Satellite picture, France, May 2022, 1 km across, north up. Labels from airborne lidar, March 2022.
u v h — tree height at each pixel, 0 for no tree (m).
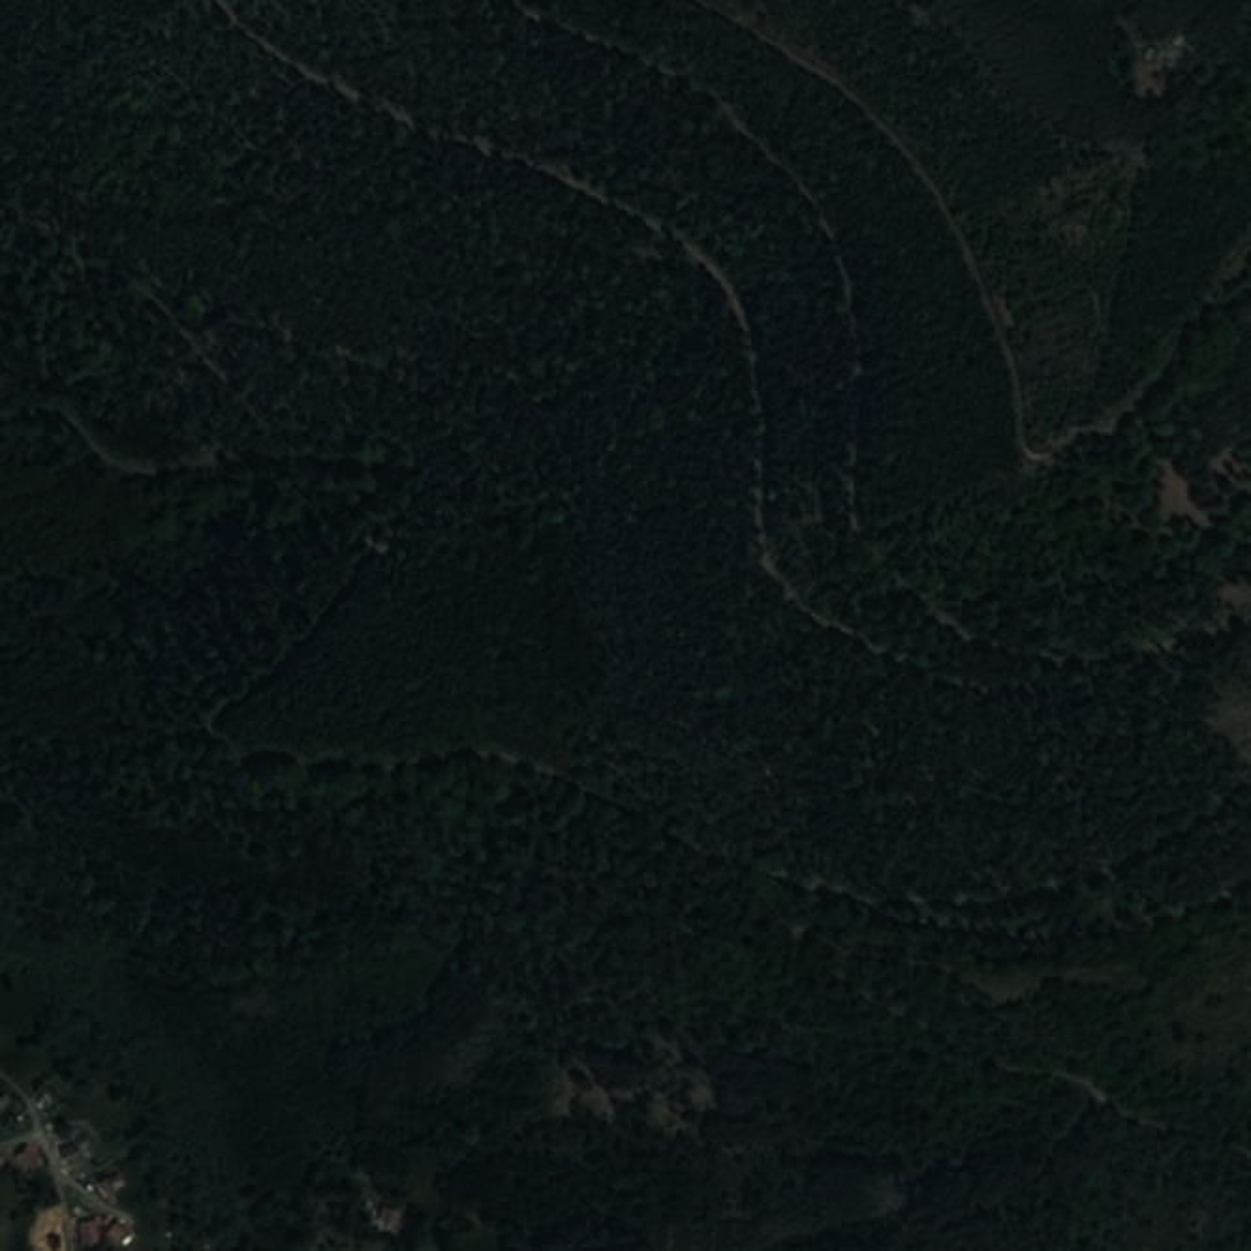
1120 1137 11
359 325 26
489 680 16
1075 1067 12
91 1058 15
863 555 20
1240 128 20
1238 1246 8
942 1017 13
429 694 16
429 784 25
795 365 19
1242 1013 0
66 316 33
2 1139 0
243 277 26
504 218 27
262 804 28
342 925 25
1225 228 13
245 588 40
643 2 20
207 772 19
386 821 33
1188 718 27
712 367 22
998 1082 13
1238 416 25
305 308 25
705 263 0
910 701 21
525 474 26
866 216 13
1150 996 10
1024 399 0
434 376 31
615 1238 32
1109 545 13
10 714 16
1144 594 29
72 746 13
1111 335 9
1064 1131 8
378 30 24
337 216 24
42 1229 0
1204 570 24
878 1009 10
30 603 10
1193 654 28
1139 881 27
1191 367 23
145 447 16
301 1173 0
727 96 9
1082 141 12
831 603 20
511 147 25
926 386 11
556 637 12
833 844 23
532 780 25
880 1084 9
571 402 28
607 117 27
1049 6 19
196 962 26
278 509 40
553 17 7
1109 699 28
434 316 27
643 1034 17
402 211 28
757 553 27
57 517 14
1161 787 29
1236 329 24
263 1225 15
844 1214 28
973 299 10
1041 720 23
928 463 10
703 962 12
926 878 24
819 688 26
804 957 20
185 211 25
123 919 25
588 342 25
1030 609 19
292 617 17
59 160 24
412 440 34
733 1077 22
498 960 28
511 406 30
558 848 24
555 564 12
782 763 28
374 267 25
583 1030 26
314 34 16
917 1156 8
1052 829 26
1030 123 9
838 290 26
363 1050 29
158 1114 18
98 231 24
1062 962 19
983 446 11
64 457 33
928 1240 19
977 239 8
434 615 16
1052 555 15
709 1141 12
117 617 18
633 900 25
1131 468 21
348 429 31
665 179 25
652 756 28
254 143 23
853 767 22
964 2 18
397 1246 16
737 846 28
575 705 11
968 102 8
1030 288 8
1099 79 17
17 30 20
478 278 27
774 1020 11
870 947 11
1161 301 15
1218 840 27
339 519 37
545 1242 32
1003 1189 19
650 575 22
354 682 17
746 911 19
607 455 21
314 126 22
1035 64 17
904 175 16
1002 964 22
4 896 23
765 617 24
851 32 6
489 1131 13
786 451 18
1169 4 16
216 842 32
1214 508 16
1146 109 21
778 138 20
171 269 24
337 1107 15
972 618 21
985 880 27
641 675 23
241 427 22
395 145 20
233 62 17
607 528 24
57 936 31
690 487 22
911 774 21
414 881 26
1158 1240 0
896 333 15
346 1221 21
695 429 20
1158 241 16
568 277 21
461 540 28
